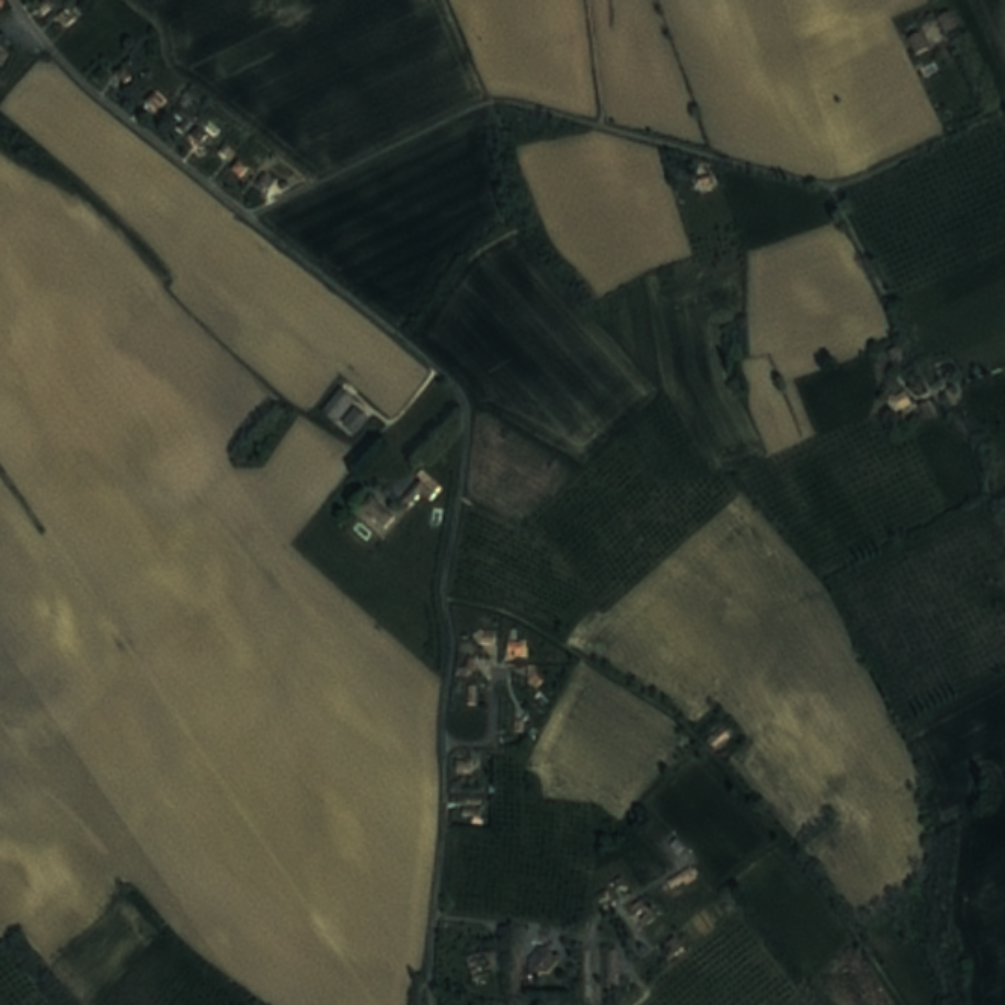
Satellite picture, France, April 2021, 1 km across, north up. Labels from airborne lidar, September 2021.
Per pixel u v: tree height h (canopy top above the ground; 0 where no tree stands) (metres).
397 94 0
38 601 0
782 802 0
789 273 0
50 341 0
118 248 0
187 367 0
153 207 0
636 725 0
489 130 10
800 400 0
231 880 0
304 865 0
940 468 0
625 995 9
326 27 0
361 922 0
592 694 0
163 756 0
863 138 0
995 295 0
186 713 0
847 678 0
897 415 13
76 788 0
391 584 0
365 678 0
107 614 0
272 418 22
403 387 0
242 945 0
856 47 0
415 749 0
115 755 0
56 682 0
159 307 0
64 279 0
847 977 0
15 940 16
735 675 0
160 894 0
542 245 9
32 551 0
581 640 0
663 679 0
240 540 0
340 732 0
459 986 6
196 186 0
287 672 0
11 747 0
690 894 0
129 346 0
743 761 0
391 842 0
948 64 8
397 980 0
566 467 0
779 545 0
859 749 0
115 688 0
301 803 0
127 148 0
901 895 15
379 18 0
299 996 0
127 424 0
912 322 16
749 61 0
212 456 0
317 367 0
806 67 0
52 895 0
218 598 0
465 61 0
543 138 8
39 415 0
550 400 0
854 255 0
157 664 0
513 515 0
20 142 10
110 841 0
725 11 0
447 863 0
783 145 0
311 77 0
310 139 0
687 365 0
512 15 0
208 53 0
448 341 0
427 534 0
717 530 0
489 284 0
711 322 0
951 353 7
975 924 0
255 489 0
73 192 0
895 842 0
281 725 0
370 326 0
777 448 0
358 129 0
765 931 7
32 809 0
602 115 0
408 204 0
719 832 0
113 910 0
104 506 0
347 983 0
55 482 0
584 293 9
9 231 0
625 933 7
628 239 0
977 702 0
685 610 0
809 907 0
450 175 0
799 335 0
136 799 0
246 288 0
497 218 0
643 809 13
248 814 0
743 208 0
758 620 0
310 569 0
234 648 0
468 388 0
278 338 0
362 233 0
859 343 0
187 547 0
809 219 0
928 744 0
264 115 0
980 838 0
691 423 0
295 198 0
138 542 0
